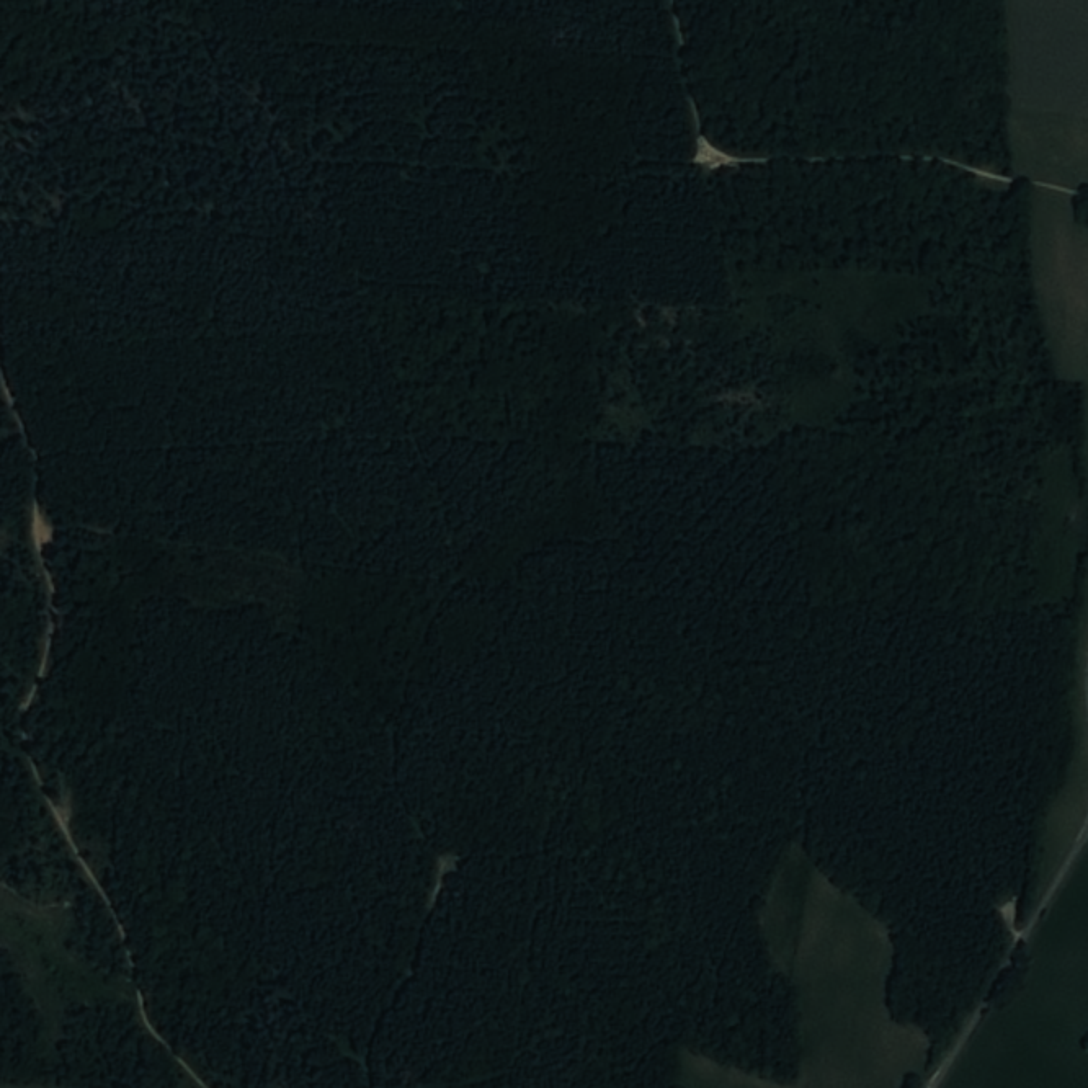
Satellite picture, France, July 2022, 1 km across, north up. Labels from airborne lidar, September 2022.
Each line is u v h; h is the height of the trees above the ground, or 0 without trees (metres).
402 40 17
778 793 16
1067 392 6
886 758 19
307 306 20
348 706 12
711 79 18
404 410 14
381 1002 19
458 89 14
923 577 22
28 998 20
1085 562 18
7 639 24
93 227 19
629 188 13
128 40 13
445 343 17
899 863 22
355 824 21
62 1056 12
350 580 10
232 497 19
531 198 18
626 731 12
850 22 20
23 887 34
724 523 17
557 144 19
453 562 17
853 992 0
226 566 6
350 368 16
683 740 16
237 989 16
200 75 23
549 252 16
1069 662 20
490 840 11
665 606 20
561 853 13
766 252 19
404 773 16
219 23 13
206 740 11
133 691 9
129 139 24
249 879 16
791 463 17
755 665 15
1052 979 0
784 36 16
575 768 16
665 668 19
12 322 24
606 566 18
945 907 23
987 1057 0
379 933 13
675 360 13
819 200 14
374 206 18
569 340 14
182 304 18
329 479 17
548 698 18
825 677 17
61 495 19
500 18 16
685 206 18
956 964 19
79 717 9
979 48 14
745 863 16
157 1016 7
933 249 21
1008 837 22
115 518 18
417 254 16
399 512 13
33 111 27
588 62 14
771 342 10
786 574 20
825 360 7
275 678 19
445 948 22
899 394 21
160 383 18
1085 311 0
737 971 18
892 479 19
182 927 21
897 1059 0
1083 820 0
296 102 16
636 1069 14
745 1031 15
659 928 15
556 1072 18
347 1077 26
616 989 18
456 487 18
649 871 18
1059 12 0
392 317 17
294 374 16
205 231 24
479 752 15
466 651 10
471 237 15
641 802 16
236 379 18
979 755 24
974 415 19
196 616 18
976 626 16
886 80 17
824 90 18
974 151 18
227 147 19
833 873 20
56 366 17
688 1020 16
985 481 8
